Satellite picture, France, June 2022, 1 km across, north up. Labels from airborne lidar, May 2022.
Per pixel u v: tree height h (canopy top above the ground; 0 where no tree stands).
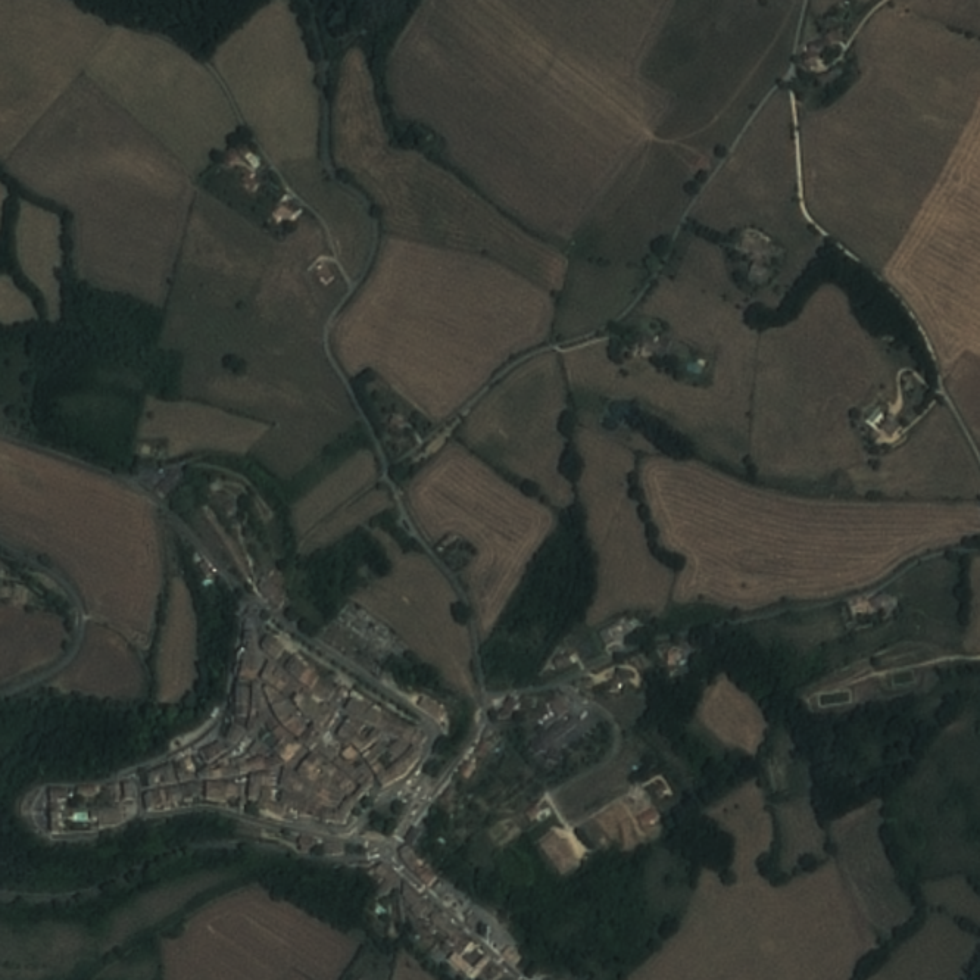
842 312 0
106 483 0
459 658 0
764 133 0
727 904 0
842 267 19
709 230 9
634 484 13
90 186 0
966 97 0
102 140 0
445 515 0
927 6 0
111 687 0
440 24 0
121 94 0
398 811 12
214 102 0
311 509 0
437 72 0
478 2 0
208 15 18
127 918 0
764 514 0
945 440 0
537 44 0
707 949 0
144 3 20
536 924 10
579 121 0
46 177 0
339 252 0
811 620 0
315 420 0
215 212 0
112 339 9
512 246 0
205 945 0
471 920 0
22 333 13
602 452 0
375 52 10
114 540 0
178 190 0
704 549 0
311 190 0
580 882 9
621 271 0
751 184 0
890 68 0
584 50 0
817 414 0
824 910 0
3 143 0
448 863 6
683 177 0
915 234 0
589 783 0
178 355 6
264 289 0
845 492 0
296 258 0
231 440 0
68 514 0
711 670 11
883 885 0
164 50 0
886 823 6
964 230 0
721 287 0
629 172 0
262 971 0
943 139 0
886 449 12
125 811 0
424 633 0
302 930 0
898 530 0
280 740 0
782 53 0
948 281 0
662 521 0
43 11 0
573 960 13
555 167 0
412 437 8
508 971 0
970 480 0
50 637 0
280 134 0
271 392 0
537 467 0
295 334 0
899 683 0
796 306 17
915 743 17
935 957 0
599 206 0
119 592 0
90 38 0
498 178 0
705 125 0
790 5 0
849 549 0
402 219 0
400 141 14
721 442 0
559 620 9
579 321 0
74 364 14
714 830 11
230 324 0
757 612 7
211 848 7
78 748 20
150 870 16
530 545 0
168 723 10
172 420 0
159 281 0
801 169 0
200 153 0
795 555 0
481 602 0
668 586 0
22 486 0
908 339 14
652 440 28
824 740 19
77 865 11
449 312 0
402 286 0
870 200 0
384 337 0
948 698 16
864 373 0
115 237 0
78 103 0
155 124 0
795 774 0
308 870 7
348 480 0
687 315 0
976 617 0
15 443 0
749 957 0
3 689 0
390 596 0
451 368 0
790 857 0
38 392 12
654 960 0
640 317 0
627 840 0
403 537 6
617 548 0
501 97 0
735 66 0
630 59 0
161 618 8
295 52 0
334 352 0
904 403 0
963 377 0
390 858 0
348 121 0
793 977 0
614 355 10
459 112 0
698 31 0
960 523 0
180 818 7
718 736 0
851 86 6
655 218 0
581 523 16
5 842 15
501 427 0
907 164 0
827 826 7
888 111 0
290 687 0
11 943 0
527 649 7
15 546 0
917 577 0
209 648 11
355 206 0
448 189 0
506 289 0
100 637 0
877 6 0
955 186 0
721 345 0
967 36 8
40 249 0
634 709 0
